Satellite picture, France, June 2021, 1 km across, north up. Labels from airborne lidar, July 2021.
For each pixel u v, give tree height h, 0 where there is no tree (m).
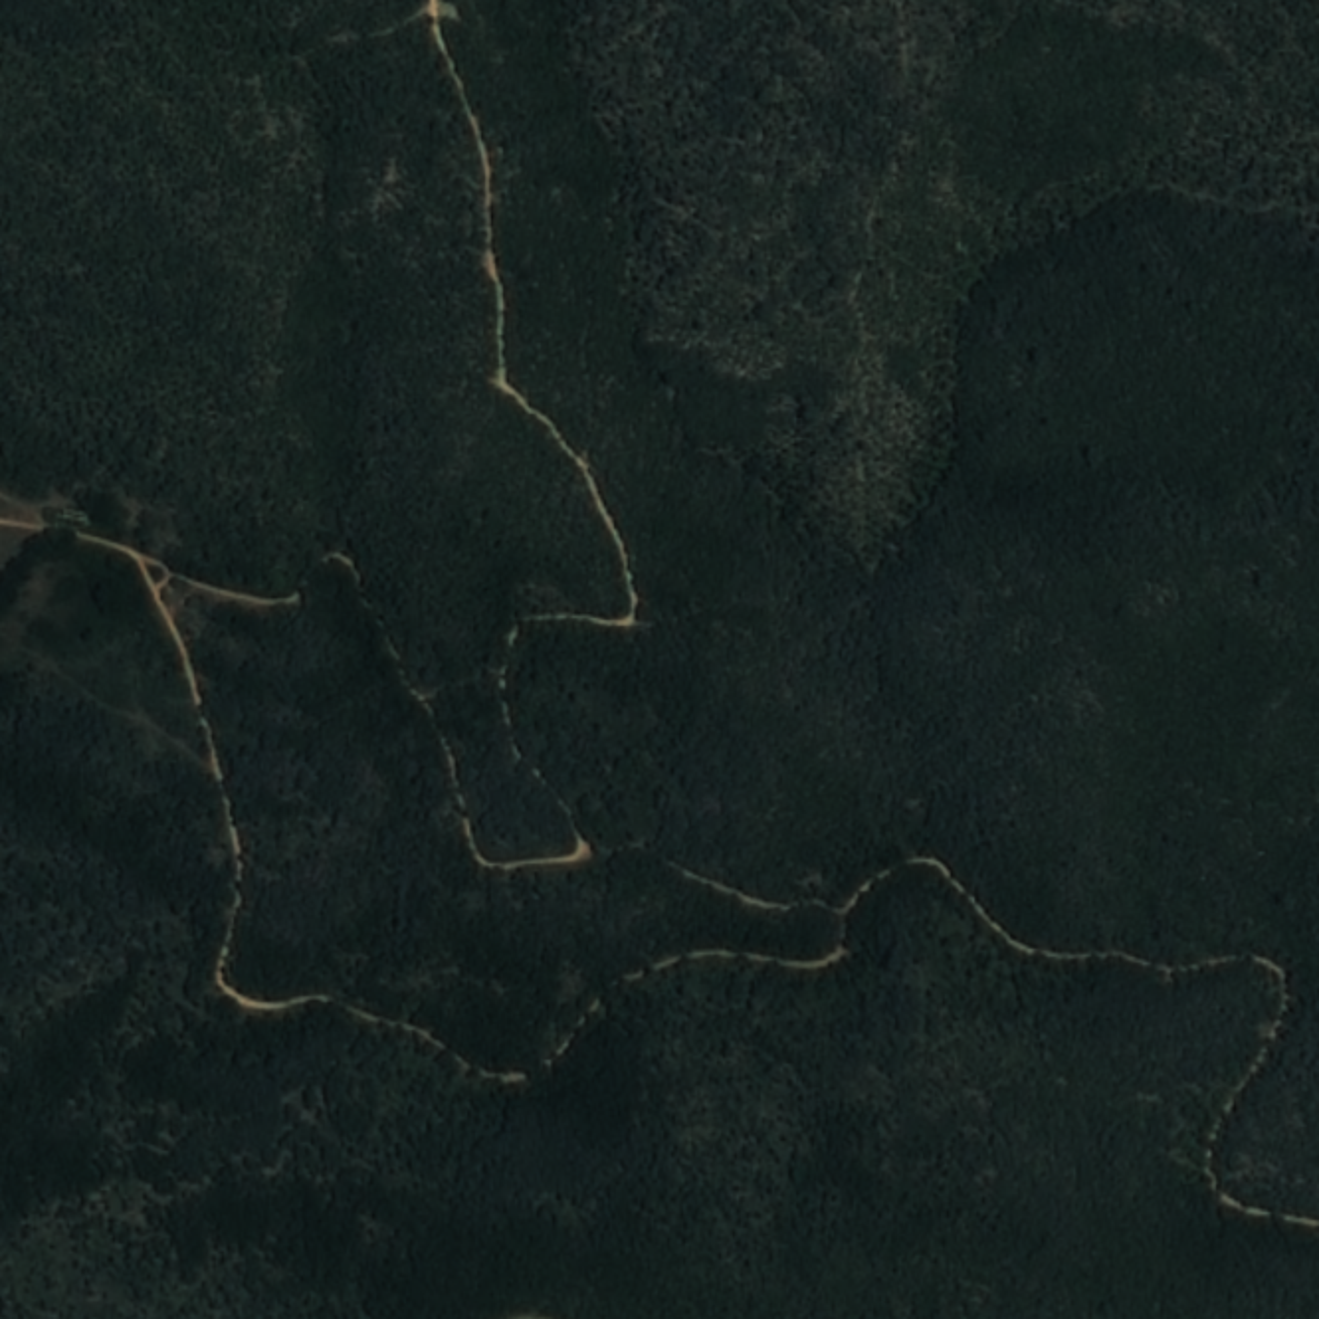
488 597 11
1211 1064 10
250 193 6
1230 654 12
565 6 10
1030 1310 8
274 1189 9
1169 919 8
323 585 12
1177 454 5
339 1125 11
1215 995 8
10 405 7
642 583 8
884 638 8
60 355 10
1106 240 7
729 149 10
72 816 12
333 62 6
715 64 6
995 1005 12
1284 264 9
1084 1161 11
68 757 12
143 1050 11
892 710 12
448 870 7
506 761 12
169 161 7
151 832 9
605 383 7
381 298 7
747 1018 12
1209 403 5
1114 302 6
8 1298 6
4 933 13
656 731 9
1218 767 7
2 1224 10
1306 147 8
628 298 10
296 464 10
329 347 10
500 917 8
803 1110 7
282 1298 10
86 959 10
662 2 10
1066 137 7
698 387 8
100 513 16
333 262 10
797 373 6
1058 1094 8
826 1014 6
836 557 9
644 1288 8
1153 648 5
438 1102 9
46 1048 11
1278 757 7
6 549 0
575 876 10
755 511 14
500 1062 13
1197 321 6
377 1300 8
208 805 6
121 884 12
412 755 9
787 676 9
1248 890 9
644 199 11
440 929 6
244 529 8
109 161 8
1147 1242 8
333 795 11
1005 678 8
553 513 6
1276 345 7
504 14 8
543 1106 14
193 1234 11
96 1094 9
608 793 7
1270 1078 11
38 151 7
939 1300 7
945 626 6
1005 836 7
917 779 8
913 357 6
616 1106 9
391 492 6
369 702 15
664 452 6
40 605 0
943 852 10
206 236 6
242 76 8
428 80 7
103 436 11
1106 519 9
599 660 8
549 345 7
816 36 8
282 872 7
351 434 9
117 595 15
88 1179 13
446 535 6
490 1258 7
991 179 6
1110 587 6
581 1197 7
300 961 9
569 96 8
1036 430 8
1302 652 6
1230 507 7
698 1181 11
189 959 11
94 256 9
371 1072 9
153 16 10
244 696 11
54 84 7
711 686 8
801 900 9
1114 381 7
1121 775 7
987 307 9
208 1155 5
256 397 8
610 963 11
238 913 7
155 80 7
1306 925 5
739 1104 7
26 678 7
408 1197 9
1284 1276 8
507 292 6
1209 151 8
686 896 8
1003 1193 7
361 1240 12
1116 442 6
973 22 10
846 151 8
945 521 9
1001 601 7
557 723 9
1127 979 14
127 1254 9
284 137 7
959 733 12
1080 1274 6
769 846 7
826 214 8
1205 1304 8
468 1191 8
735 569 7
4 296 10
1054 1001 10
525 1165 11
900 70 6
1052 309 6
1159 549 6
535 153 6
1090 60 6
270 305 7
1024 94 7
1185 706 6
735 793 10
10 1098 12
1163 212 9
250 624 13
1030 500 10
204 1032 12
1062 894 10
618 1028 11
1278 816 7
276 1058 15
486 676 10
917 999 10
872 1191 8
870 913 13
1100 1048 9
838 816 6
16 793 13
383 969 13
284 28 6
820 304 7
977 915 9
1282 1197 10
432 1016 10
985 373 6
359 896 10
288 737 14
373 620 11
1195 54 9
